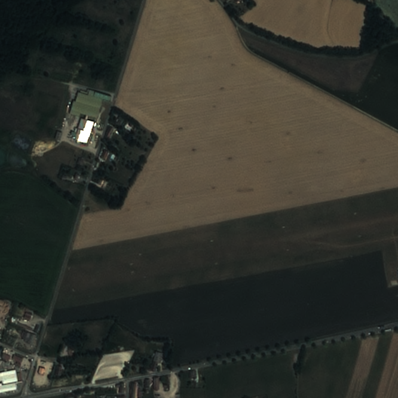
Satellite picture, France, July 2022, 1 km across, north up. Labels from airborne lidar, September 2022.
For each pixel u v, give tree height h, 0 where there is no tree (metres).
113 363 0
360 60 0
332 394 0
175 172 0
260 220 0
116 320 13
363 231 0
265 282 0
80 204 0
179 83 0
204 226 0
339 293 0
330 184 0
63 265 0
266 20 0
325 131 0
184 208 0
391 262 0
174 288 0
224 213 0
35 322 0
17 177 0
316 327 0
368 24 16
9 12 17
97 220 0
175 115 0
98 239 0
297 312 0
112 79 5
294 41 11
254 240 0
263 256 0
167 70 0
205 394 0
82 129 0
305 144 0
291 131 0
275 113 0
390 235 0
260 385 0
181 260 0
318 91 0
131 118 16
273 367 0
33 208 0
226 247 0
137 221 0
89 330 0
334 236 0
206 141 0
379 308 0
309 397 0
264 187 0
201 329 0
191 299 0
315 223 0
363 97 0
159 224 0
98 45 0
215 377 0
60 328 0
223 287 0
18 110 0
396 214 0
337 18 0
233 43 0
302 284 0
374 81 0
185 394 0
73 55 15
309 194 0
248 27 8
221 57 0
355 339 14
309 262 0
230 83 0
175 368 0
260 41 0
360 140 0
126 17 0
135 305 0
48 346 0
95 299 0
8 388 0
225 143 0
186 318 0
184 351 0
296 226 0
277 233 0
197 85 0
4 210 0
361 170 0
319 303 0
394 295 0
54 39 11
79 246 0
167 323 0
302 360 12
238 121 0
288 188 0
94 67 12
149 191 0
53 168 0
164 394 0
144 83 0
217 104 0
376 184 0
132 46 0
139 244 0
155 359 0
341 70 0
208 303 0
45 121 0
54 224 0
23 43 20
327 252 0
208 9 0
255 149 0
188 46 0
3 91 0
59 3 28
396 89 0
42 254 0
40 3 24
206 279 0
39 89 0
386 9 0
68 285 0
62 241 0
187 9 0
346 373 0
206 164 0
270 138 0
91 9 0
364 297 0
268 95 0
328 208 0
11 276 0
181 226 0
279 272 0
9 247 0
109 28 8
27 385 0
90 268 0
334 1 0
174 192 0
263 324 0
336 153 0
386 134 0
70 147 0
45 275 0
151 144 13
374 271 0
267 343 0
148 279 0
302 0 0
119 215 0
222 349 0
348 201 0
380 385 0
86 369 7
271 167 0
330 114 0
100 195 19
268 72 0
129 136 19
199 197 0
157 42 0
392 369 0
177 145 0
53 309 0
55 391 0
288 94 0
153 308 0
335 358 0
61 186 0
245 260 0
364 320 0
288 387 0
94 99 0
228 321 0
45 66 0
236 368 0
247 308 0
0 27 23
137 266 0
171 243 0
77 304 0
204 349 0
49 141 0
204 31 0
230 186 0
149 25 0
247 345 0
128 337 0
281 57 0
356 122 0
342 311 0
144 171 0
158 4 0
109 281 0
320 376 0
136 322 0
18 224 0
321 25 0
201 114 0
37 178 0
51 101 0
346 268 0
